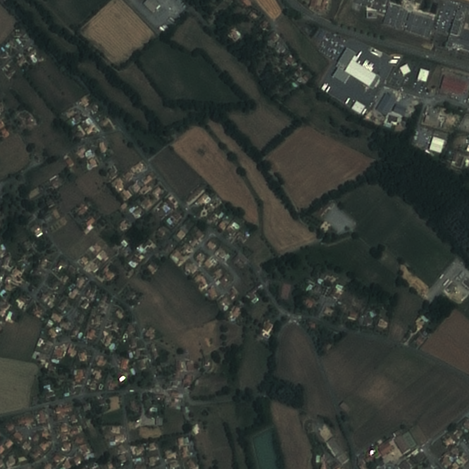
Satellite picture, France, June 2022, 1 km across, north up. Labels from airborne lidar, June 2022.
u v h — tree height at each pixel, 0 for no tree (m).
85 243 0
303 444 0
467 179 16
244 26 0
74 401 10
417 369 0
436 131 0
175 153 0
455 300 0
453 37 0
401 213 0
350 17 0
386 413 0
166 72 0
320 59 0
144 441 9
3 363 0
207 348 0
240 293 0
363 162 0
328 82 0
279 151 0
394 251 0
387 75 0
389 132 16
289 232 0
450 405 0
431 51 0
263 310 0
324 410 0
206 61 10
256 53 20
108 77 13
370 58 0
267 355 0
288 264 12
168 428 0
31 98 0
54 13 0
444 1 0
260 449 0
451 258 0
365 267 0
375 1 0
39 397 7
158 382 0
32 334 0
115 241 7
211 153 0
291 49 9
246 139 22
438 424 0
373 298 12
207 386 0
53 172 0
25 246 0
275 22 0
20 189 11
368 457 0
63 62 21
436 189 16
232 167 0
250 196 0
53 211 0
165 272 0
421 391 0
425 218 22
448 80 0
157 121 21
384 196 0
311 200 0
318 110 0
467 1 0
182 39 0
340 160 0
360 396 0
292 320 0
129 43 0
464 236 24
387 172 23
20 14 13
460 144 0
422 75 0
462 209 18
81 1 0
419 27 0
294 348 0
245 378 0
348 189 17
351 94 0
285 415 0
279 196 21
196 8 17
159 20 0
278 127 0
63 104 0
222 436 0
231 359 16
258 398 13
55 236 0
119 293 0
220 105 16
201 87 0
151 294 0
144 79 0
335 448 0
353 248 0
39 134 0
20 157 0
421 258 0
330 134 0
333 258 0
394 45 0
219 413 0
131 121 22
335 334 14
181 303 0
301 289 9
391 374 0
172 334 0
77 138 11
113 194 7
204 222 16
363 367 0
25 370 0
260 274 0
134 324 0
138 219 8
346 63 0
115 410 0
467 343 0
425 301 9
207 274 0
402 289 0
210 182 0
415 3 0
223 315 12
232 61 0
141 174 0
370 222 0
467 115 0
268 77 17
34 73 0
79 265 0
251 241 0
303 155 0
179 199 0
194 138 0
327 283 10
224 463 0
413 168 19
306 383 0
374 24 0
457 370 0
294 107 0
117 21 0
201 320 0
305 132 0
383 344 0
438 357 0
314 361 0
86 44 12
